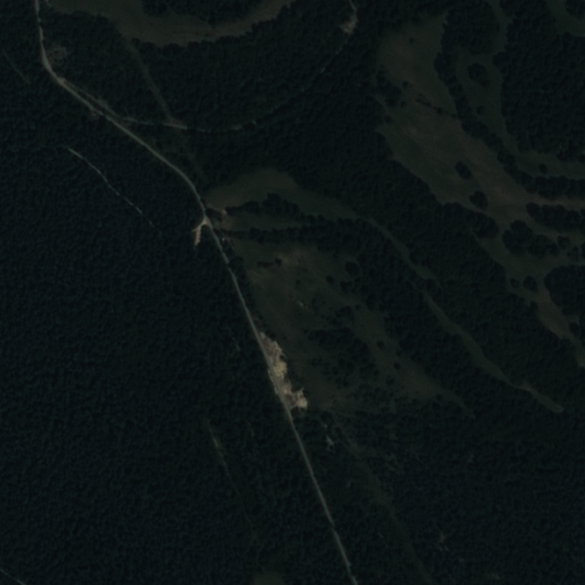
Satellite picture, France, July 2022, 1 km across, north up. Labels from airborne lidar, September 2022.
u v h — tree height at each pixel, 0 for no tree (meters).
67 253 21
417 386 0
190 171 11
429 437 20
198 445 21
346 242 21
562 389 19
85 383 20
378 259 21
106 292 23
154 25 0
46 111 28
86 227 22
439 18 0
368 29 11
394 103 18
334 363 0
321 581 30
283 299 0
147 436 23
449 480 7
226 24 0
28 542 14
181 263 27
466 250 30
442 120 0
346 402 0
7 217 17
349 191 26
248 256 0
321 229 18
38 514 17
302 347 0
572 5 18
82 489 23
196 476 27
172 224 24
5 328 13
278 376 0
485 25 26
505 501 6
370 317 0
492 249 0
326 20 10
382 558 19
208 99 9
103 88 13
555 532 9
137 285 21
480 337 25
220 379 25
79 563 13
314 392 0
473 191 0
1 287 18
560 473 25
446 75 17
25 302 17
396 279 28
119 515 15
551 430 10
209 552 31
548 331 10
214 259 15
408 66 0
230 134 16
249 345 22
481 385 13
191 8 19
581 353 0
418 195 26
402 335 18
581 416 23
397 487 8
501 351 25
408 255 0
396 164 20
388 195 19
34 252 20
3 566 15
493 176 0
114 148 19
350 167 31
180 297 25
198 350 12
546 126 26
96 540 18
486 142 22
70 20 16
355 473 7
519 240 24
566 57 22
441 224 28
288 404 0
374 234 22
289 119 25
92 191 18
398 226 22
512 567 7
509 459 12
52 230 20
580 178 0
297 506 20
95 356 20
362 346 13
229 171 22
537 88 11
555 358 31
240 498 10
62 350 13
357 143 30
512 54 15
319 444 9
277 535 18
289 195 0
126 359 20
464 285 23
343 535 16
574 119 25
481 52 10
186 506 24
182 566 28
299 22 14
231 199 0
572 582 22
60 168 17
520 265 0
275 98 8
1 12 10
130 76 8
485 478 19
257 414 24
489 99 0
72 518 19
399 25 21
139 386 27
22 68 13
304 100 16
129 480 15
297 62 10
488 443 13
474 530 7
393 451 12
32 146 20
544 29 29
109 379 13
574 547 24
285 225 0
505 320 28
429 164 0
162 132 25
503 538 6
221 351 26
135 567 11
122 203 22
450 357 14
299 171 29
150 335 19
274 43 12
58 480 22
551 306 0
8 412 19
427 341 19
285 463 7
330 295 0
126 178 19
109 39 12
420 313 25
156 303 20
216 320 23
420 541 6
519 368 23
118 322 22
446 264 27
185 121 12
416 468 12
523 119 24
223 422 14
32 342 19
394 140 0
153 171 18
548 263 0
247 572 24
